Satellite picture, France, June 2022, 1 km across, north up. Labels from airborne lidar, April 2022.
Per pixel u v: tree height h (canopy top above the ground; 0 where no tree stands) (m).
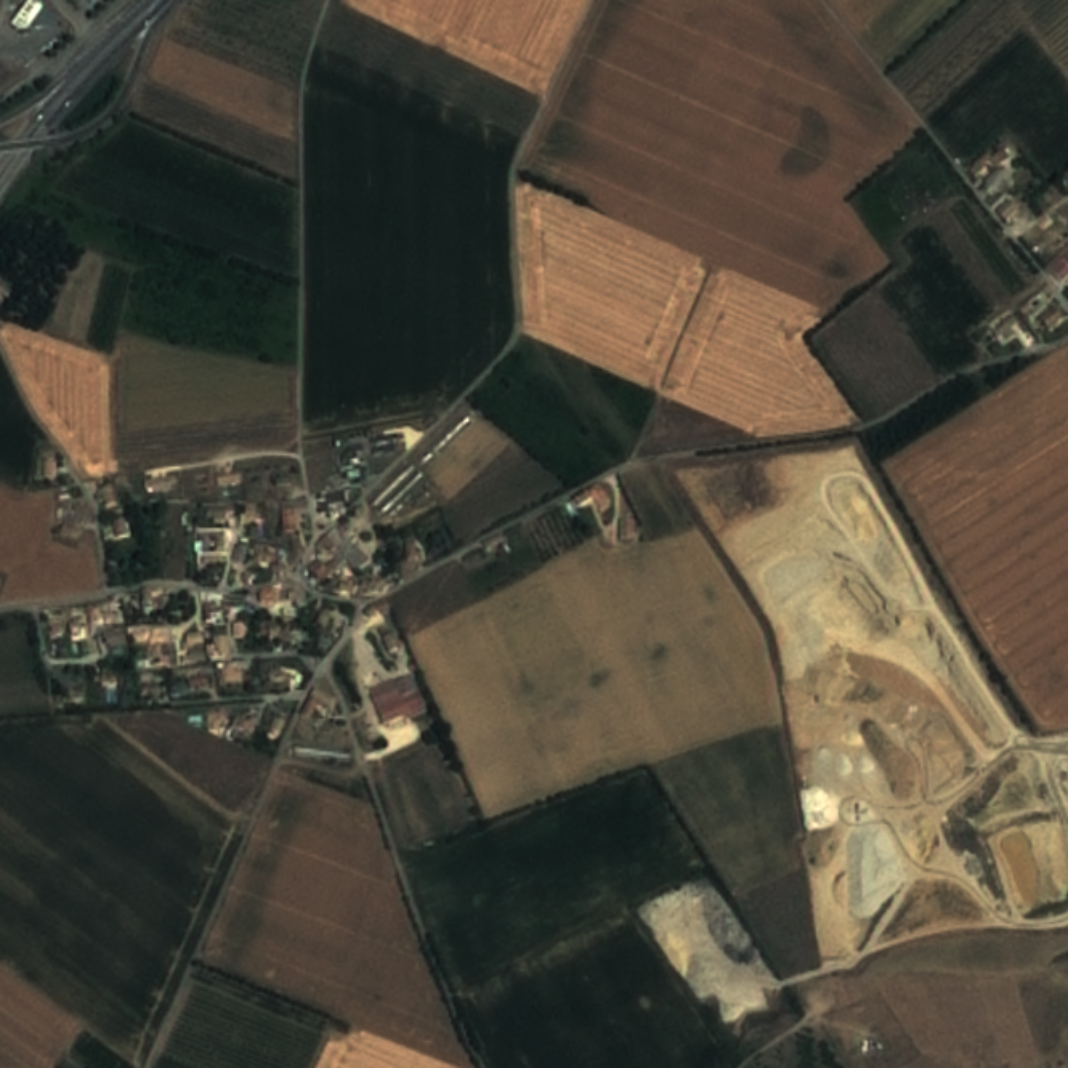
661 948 0
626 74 0
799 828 0
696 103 0
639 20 0
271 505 0
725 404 0
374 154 0
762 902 0
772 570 0
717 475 0
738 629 0
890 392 0
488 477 0
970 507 0
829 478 0
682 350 0
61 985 0
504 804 0
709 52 0
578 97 0
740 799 0
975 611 0
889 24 0
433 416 0
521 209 0
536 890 0
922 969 0
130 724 0
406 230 0
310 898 0
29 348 0
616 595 0
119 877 0
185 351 0
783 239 0
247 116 0
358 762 0
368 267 0
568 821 0
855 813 0
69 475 0
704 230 0
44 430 0
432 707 10
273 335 0
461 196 0
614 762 0
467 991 0
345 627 0
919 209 0
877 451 10
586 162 0
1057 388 0
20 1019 0
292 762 0
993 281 0
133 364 0
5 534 0
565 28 0
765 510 0
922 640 0
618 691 0
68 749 0
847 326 0
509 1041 0
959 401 11
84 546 0
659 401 0
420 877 0
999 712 0
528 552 0
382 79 0
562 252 0
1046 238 0
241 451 0
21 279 12
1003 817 0
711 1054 0
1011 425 0
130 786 0
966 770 0
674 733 0
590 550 0
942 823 0
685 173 0
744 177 0
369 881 0
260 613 10
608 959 0
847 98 0
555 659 0
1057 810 0
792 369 0
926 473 0
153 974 0
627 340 0
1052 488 0
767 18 0
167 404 0
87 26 0
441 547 8
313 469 0
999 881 0
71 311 0
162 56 0
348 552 0
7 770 0
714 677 0
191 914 0
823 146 0
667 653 0
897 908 0
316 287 0
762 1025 0
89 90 0
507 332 0
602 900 0
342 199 0
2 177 0
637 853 0
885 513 0
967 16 0
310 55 0
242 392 0
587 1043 0
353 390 0
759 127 0
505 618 0
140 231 10
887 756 0
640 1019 0
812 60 0
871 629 0
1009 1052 0
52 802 0
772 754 0
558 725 0
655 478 0
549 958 0
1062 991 0
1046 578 0
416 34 0
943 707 0
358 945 0
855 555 0
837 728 0
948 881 0
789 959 0
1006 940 0
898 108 0
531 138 0
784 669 0
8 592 0
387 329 0
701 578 0
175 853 0
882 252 0
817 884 0
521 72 0
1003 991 0
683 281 0
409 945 0
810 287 0
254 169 12
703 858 8
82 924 0
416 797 0
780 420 0
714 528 0
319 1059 0
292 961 0
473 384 0
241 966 0
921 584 0
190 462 0
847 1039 0
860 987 0
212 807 0
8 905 0
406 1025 0
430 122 0
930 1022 0
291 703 0
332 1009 0
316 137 0
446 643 0
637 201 0
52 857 0
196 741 0
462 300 0
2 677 0
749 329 0
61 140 0
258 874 0
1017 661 0
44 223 7
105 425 0
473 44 0
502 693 0
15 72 0
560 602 0
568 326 0
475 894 0
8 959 0
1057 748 0
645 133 0
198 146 7
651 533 0
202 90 0
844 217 0
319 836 0
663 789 7
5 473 0
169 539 0
